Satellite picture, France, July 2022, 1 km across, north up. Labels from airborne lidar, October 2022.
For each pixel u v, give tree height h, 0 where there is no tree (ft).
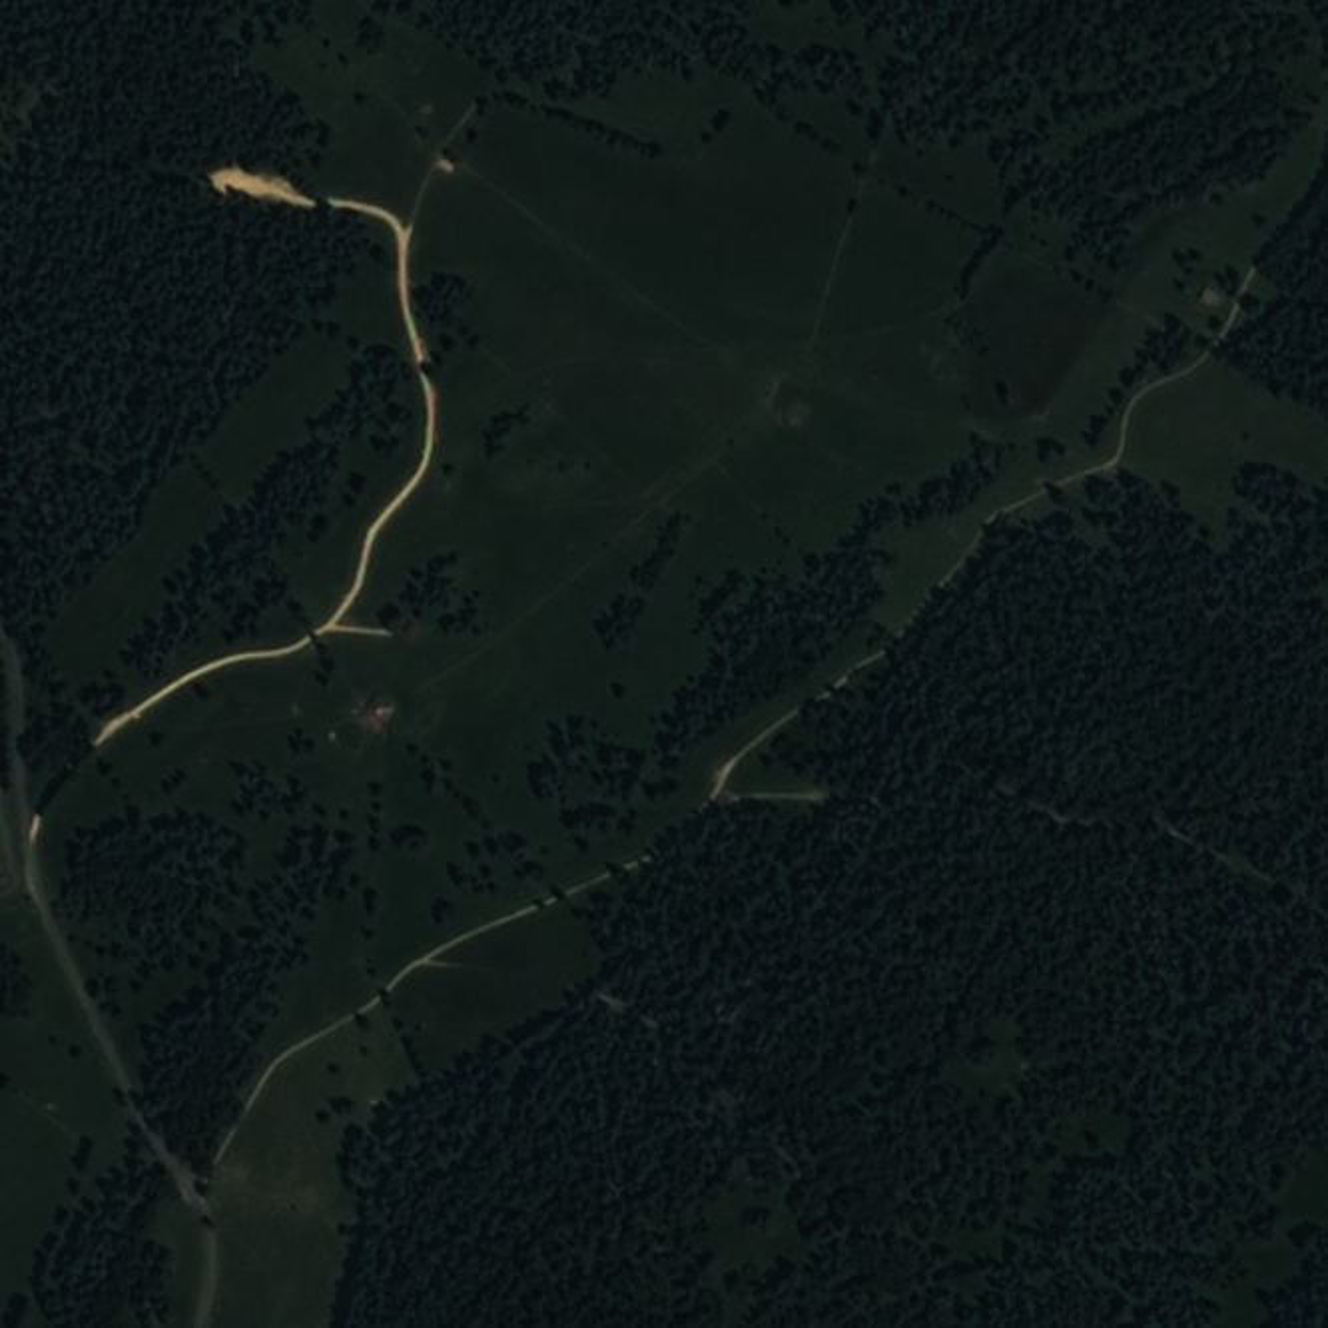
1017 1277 67
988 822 73
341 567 0
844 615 27
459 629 50
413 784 0
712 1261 55
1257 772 65
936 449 0
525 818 0
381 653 0
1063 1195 57
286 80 0
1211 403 0
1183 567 42
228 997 68
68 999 0
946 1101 60
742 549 0
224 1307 0
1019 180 0
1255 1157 74
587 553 0
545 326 0
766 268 0
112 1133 0
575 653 0
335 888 54
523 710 0
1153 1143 89
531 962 0
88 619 0
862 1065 49
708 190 0
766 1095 52
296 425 0
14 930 0
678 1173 85
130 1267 50
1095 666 41
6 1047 0
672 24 102
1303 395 79
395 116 0
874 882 48
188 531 0
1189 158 33
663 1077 62
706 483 0
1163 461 0
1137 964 61
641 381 0
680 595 0
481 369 0
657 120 0
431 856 0
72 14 82
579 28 91
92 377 49
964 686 35
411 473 0
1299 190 0
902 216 0
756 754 0
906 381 0
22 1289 0
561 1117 35
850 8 90
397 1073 0
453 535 0
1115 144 47
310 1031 0
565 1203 60
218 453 0
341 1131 0
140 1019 0
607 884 0
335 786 0
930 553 0
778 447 0
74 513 113
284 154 27
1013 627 55
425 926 0
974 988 55
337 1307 0
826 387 0
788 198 0
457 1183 67
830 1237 86
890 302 0
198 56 52
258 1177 0
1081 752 74
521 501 0
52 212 115
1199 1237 75
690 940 49
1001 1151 46
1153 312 0
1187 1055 67
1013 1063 0
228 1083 34
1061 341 0
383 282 0
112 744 0
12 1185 0
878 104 0
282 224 80
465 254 0
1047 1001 26
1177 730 47
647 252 0
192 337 89
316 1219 0
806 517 0
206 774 0
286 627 0
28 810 0
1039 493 0
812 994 94
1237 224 0
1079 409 0
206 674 0
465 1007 0
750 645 91
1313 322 73
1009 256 0
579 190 0
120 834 89
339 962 0
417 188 0
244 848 55
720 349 0
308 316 0
